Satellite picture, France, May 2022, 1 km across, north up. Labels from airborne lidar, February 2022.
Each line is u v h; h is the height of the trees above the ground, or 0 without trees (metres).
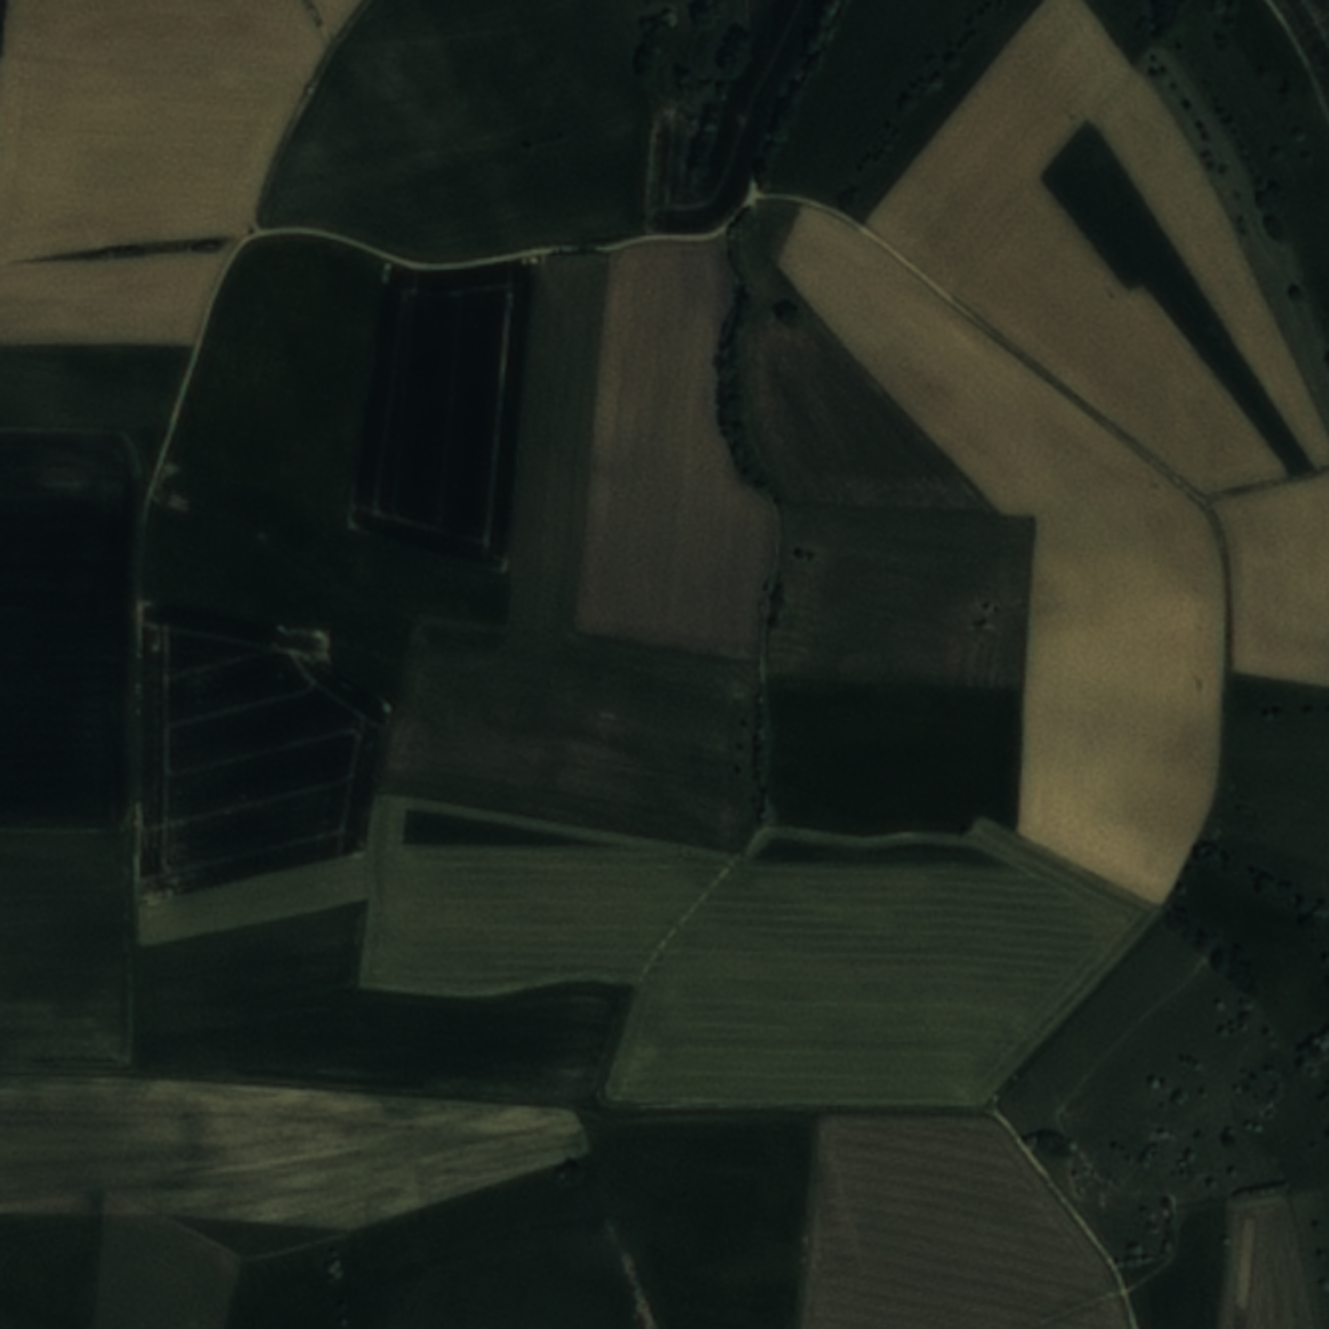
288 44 0
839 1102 0
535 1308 0
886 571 0
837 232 0
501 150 0
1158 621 0
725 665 0
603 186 0
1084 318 0
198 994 0
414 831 0
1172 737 0
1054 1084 0
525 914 0
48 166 0
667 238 0
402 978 0
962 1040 0
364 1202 0
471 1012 0
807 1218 0
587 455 0
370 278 0
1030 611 0
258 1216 0
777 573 0
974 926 0
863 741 0
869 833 0
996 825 0
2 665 0
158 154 0
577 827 0
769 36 0
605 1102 0
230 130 0
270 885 0
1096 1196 0
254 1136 0
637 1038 0
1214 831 0
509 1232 0
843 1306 0
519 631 0
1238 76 0
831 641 0
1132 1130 0
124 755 0
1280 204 10
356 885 0
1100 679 0
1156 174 0
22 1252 0
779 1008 0
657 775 0
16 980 0
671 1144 0
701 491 0
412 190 0
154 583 0
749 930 0
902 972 0
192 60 0
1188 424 0
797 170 0
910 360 0
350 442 0
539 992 0
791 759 0
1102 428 0
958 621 0
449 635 0
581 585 0
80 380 0
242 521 0
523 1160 0
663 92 0
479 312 0
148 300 0
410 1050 0
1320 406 0
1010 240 0
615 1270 0
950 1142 0
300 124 0
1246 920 0
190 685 0
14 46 0
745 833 0
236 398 0
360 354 0
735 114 0
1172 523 0
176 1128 0
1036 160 0
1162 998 0
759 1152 0
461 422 0
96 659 0
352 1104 0
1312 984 0
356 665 0
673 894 0
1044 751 0
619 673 0
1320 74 0
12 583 0
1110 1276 0
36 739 0
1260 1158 0
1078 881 0
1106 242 0
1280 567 0
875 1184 0
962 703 0
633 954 0
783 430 0
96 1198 0
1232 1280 0
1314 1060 10
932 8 0
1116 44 0
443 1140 0
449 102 0
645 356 0
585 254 6
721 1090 0
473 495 0
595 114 0
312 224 0
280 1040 0
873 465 0
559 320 0
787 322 13
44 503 0
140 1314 0
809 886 0
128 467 0
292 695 0
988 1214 0
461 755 0
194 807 0
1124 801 0
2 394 0
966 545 0
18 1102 0
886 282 0
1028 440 0
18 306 0
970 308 0
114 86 0
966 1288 0
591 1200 0
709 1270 0
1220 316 0
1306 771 0
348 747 0
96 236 0
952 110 0
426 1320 0
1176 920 11
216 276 0
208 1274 0
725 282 0
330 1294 0
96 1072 0
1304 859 0
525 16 0
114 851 0
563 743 0
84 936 0
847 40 0
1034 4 0
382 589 0
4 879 0
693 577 0
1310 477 0
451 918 0
